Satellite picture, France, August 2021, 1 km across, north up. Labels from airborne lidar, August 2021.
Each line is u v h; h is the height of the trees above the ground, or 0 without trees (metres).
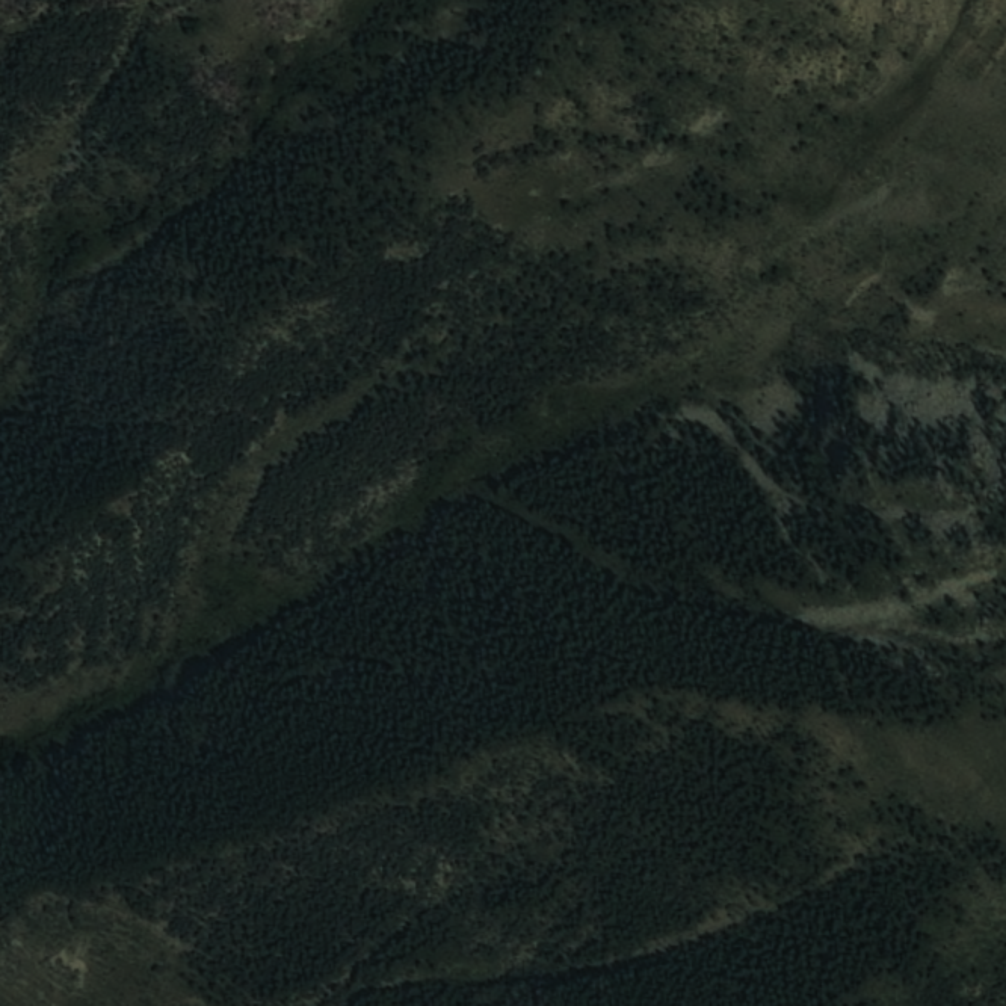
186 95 6
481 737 11
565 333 11
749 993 13
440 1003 12
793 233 0
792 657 16
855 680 15
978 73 0
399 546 11
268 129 10
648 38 0
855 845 0
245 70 0
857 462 6
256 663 21
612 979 16
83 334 9
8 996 0
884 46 0
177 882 10
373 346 8
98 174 6
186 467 8
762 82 0
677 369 0
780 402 0
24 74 10
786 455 19
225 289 9
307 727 18
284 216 10
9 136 6
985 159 0
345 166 13
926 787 0
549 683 15
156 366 9
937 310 0
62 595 8
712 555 7
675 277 9
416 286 8
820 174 0
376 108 11
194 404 7
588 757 8
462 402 7
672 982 18
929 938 11
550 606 11
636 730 7
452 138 0
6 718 0
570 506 15
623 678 9
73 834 23
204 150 9
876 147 0
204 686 14
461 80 14
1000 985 10
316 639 18
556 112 0
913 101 0
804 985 15
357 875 13
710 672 7
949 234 0
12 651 12
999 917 0
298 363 14
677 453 9
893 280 0
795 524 14
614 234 5
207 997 6
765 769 7
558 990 17
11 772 20
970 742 0
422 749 11
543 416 0
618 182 0
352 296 10
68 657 10
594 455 16
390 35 9
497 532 16
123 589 8
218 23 0
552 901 15
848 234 0
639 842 7
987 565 0
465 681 13
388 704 17
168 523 9
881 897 7
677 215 0
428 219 6
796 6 0
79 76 9
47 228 7
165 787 21
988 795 0
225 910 10
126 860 19
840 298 0
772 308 0
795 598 0
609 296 13
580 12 0
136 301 13
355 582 20
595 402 0
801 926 10
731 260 0
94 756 15
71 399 10
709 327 0
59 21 7
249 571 0
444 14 0
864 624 0
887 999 0
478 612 15
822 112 10
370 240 8
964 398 0
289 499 13
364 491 8
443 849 11
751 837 7
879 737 0
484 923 7
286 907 18
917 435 9
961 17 0
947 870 10
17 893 11
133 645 11
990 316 0
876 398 0
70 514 15
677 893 9
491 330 10
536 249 0
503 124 0
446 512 15
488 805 10
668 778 12
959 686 7
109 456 15
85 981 0
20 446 18
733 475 13
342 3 0
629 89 0
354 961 15
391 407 9
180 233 17
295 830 10
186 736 18
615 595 9
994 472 0
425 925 13
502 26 15
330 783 15
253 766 19
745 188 0
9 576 17
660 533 7
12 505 11
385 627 19
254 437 7
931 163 0
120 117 7
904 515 0
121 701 0
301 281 6
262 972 13
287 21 0
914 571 0
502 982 9
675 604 19
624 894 13
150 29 7
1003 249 0
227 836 12
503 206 0
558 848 0
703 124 0
